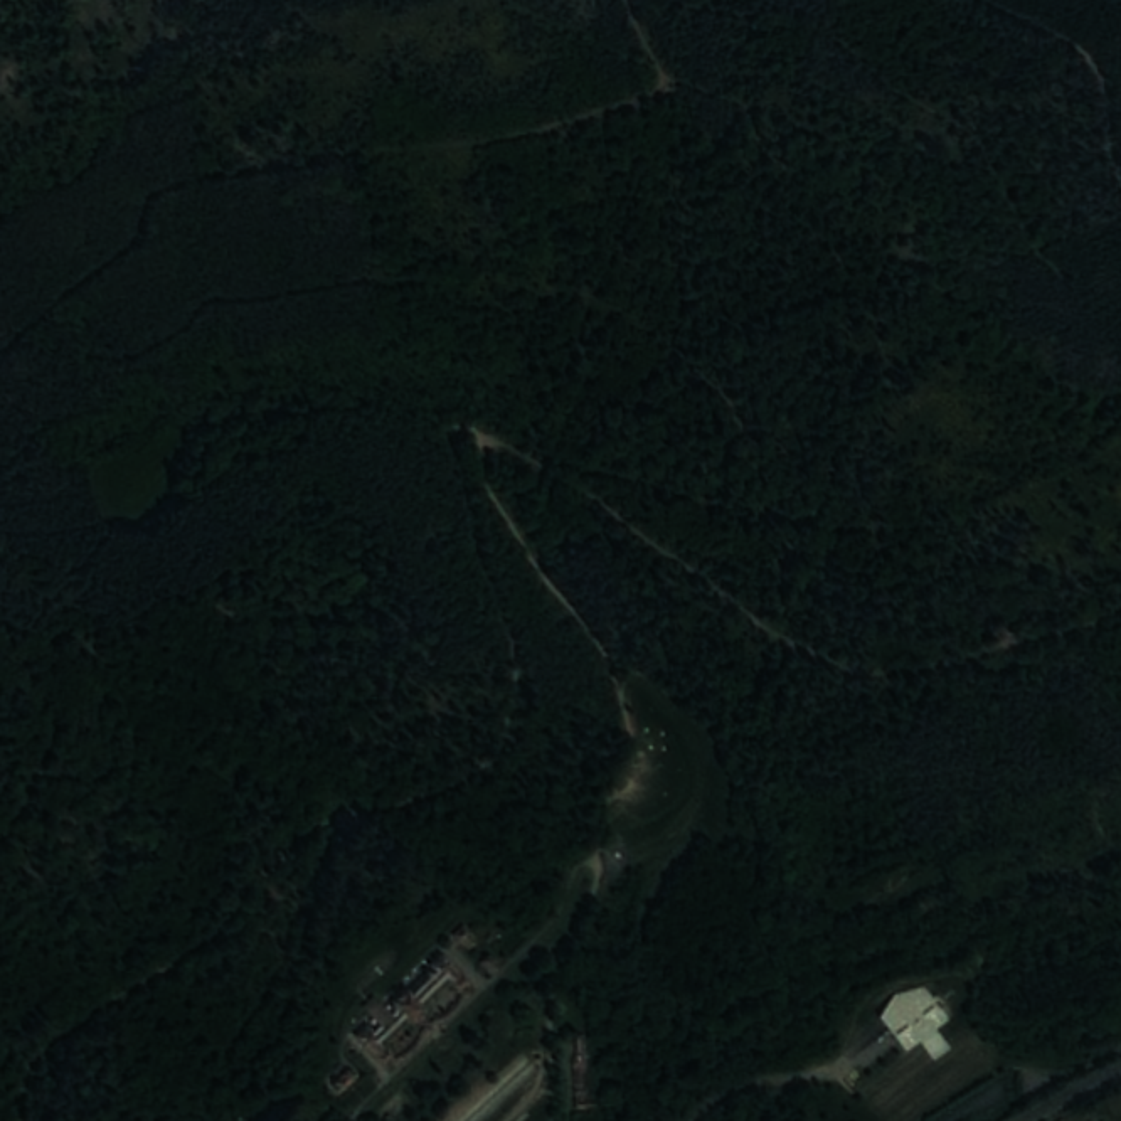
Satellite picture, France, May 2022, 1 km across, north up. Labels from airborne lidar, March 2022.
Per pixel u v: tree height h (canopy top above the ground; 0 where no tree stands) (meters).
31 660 19
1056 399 7
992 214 21
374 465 22
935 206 17
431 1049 0
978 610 34
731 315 28
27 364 25
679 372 26
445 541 21
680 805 0
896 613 36
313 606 33
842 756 25
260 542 9
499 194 17
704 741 0
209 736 22
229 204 16
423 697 17
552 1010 17
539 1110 0
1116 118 21
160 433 14
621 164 14
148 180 26
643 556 16
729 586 6
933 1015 0
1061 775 23
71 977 16
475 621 23
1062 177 24
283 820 24
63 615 7
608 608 31
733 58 8
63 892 15
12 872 27
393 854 49
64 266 16
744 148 26
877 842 18
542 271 6
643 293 10
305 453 24
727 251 22
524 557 19
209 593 15
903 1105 0
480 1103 0
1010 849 25
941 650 9
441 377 0
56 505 16
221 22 14
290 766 21
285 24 11
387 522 25
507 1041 0
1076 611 11
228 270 18
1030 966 11
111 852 26
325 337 25
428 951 0
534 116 8
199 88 17
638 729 0
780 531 33
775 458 26
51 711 11
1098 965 22
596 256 11
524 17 8
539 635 17
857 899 0
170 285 20
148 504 0
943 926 7
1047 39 22
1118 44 19
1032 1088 0
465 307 14
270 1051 20
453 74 7
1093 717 24
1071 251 19
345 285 22
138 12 0
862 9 20
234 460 22
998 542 27
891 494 9
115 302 23
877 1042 0
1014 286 17
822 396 25
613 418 28
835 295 25
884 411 25
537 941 0
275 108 8
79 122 18
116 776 25
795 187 23
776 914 26
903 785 25
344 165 26
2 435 29
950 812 18
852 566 16
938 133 0
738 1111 23
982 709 15
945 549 27
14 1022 14
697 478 31
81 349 25
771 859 25
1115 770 22
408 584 24
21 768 18
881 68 25
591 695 18
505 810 27
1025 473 8
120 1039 12
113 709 30
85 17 0
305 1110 0
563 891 12
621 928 13
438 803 20
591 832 28
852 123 14
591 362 13
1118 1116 0
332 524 26
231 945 32
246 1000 19
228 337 25
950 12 20
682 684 29
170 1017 12
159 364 26
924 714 18
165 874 22
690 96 10
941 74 20
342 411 15
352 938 17
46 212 17
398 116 10
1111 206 23
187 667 20
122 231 20
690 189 12
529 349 15
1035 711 24
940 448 7
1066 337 22
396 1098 0
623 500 17
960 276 17
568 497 31
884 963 14
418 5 10
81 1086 34
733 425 32
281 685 29
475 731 19
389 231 9
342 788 19
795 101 6
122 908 23
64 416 14
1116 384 18
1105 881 26
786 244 22
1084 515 29
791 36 18
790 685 30
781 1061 9
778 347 29
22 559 8
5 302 21
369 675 27
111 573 18
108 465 0
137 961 28
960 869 29
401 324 16
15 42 8
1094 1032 21
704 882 17
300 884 25
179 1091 18
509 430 17
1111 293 18
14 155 17
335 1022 0
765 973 33
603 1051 9
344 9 9
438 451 23
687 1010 10
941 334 22
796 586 19
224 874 19
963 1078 0
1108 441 11
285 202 17
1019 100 19
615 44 16
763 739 11
